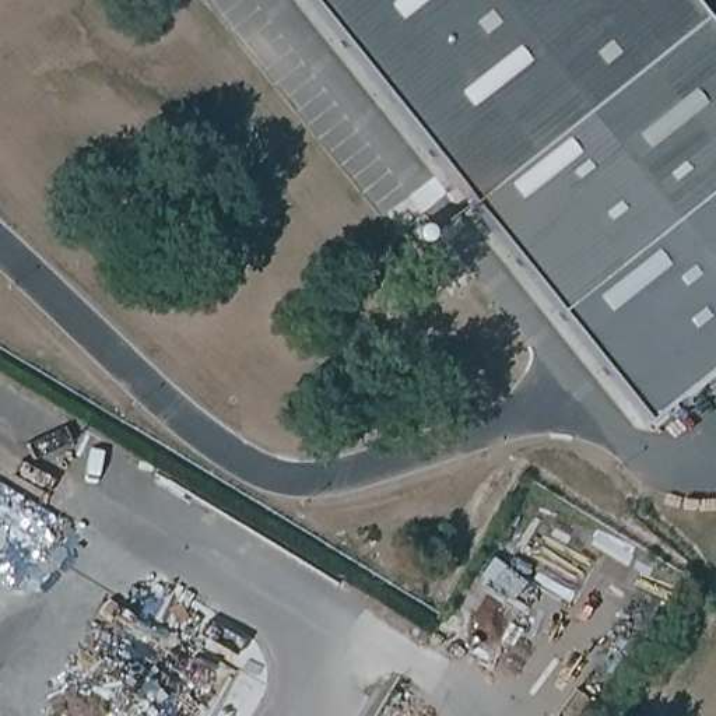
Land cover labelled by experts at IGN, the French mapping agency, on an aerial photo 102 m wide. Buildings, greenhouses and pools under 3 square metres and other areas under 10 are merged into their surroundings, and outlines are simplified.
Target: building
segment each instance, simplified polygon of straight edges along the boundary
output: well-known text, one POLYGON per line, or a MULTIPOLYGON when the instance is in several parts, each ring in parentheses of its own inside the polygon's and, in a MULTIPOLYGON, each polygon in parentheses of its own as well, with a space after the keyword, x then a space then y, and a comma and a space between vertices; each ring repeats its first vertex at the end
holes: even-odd
POLYGON ((615 366, 615 372, 624 378, 624 383, 635 392, 635 397, 649 414, 666 408, 680 392, 688 392, 688 397, 694 400, 702 389, 708 389, 716 380, 716 0, 322 0, 324 8, 338 20, 338 25, 369 59, 369 64, 380 73, 380 78, 417 117, 425 134, 439 145, 448 162, 459 171, 467 187, 475 193, 475 201, 467 201, 467 215, 473 221, 484 221, 487 232, 492 235, 506 232, 506 238, 520 249, 520 255, 526 255, 529 266, 571 310, 579 327, 615 366))

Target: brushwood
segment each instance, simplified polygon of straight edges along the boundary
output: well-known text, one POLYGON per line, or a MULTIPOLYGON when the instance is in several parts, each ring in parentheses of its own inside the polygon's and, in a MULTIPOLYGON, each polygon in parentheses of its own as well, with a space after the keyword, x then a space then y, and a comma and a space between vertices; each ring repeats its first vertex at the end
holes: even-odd
POLYGON ((67 420, 76 422, 81 434, 98 431, 103 434, 103 442, 123 445, 143 461, 159 467, 159 473, 171 481, 229 512, 241 523, 252 526, 255 531, 266 534, 269 540, 322 568, 333 579, 364 590, 366 596, 378 599, 422 632, 434 632, 442 621, 434 610, 417 604, 411 596, 394 590, 392 585, 344 559, 319 537, 302 531, 296 523, 257 506, 238 489, 221 484, 204 470, 193 467, 190 461, 179 459, 176 453, 165 450, 162 445, 151 442, 148 436, 137 434, 134 428, 123 425, 115 417, 112 406, 95 392, 70 392, 45 372, 0 350, 0 372, 8 375, 14 383, 64 408, 67 420))

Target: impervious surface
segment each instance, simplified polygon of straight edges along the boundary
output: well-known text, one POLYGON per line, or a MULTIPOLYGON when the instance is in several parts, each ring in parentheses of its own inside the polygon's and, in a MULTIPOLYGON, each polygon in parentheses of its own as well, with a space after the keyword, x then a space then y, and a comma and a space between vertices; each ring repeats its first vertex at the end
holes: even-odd
POLYGON ((171 481, 159 473, 159 467, 143 461, 123 445, 103 442, 103 434, 98 431, 81 434, 76 422, 67 420, 64 408, 14 383, 8 375, 0 372, 0 716, 579 716, 587 702, 596 699, 601 685, 610 682, 615 666, 621 666, 627 643, 640 643, 646 615, 660 615, 660 607, 674 593, 680 576, 688 571, 682 554, 666 545, 666 540, 657 540, 654 545, 671 557, 671 562, 660 562, 654 557, 652 562, 643 562, 640 557, 635 557, 635 543, 613 531, 579 531, 568 517, 554 517, 551 509, 543 506, 526 509, 529 523, 523 531, 512 537, 506 551, 484 545, 481 551, 489 559, 489 565, 464 596, 461 610, 442 621, 434 632, 422 632, 378 599, 366 596, 364 590, 333 579, 322 568, 269 540, 266 534, 255 531, 252 526, 241 523, 229 512, 171 481))
POLYGON ((520 434, 551 434, 551 442, 568 442, 568 436, 582 436, 621 456, 624 467, 635 470, 652 489, 663 489, 666 495, 677 498, 716 501, 716 380, 708 389, 702 389, 694 400, 688 397, 688 392, 680 392, 666 408, 649 414, 635 397, 635 392, 624 383, 624 378, 615 372, 615 366, 579 327, 571 310, 529 266, 526 255, 520 255, 520 249, 506 238, 506 232, 492 235, 487 232, 484 221, 473 221, 467 215, 467 201, 475 201, 475 193, 467 187, 459 171, 448 162, 439 145, 425 134, 417 117, 380 78, 380 73, 369 64, 369 59, 338 25, 338 20, 324 8, 322 0, 210 0, 221 8, 215 17, 238 39, 238 45, 246 50, 255 67, 274 84, 277 92, 285 92, 291 103, 299 103, 302 115, 291 126, 302 129, 305 143, 324 143, 324 148, 355 179, 361 193, 366 193, 372 210, 380 218, 406 218, 406 243, 422 249, 425 255, 445 252, 445 263, 453 280, 470 274, 473 280, 484 282, 495 299, 495 308, 501 313, 515 316, 515 338, 526 350, 534 350, 534 366, 526 375, 523 389, 509 394, 498 420, 484 422, 478 428, 464 428, 464 439, 459 445, 461 450, 487 448, 495 439, 520 434))
POLYGON ((411 459, 372 459, 366 453, 347 456, 330 464, 310 464, 294 464, 263 456, 241 439, 235 439, 235 428, 218 420, 218 414, 204 408, 201 403, 190 406, 193 397, 179 383, 168 386, 59 277, 53 277, 11 232, 0 227, 0 266, 90 355, 95 355, 115 378, 120 378, 137 394, 137 400, 143 400, 159 420, 165 420, 179 436, 185 436, 190 445, 207 453, 215 464, 257 487, 285 495, 319 495, 330 489, 372 484, 378 478, 414 467, 411 459))

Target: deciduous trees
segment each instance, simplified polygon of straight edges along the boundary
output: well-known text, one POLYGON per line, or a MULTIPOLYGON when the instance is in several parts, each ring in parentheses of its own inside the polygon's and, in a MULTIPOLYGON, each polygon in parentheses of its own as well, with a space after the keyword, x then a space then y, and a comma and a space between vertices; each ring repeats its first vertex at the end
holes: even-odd
POLYGON ((456 509, 450 517, 414 517, 403 529, 397 529, 394 559, 400 565, 400 573, 392 585, 394 590, 411 596, 417 604, 434 610, 442 621, 461 610, 464 596, 489 565, 489 559, 481 551, 470 548, 473 529, 467 512, 456 509), (431 599, 431 585, 436 579, 445 579, 459 565, 464 568, 464 576, 456 585, 453 596, 448 601, 431 599))
POLYGON ((498 515, 492 517, 484 545, 506 551, 512 537, 523 531, 529 523, 526 509, 543 506, 551 492, 520 473, 517 487, 506 495, 498 515))
POLYGON ((310 464, 330 464, 347 456, 366 453, 372 459, 411 459, 414 467, 461 450, 459 445, 464 439, 464 428, 478 428, 484 422, 470 411, 473 389, 461 375, 461 366, 456 366, 453 355, 431 352, 431 341, 422 338, 417 344, 411 338, 403 344, 389 341, 389 336, 380 333, 372 322, 375 310, 394 319, 408 316, 411 310, 422 313, 428 305, 439 305, 439 291, 445 291, 453 280, 445 263, 445 252, 425 255, 422 249, 406 243, 403 255, 347 252, 341 257, 322 257, 319 252, 313 252, 302 271, 302 288, 288 291, 274 308, 274 333, 285 336, 291 350, 324 358, 322 366, 299 378, 296 389, 288 392, 285 408, 280 414, 282 425, 299 436, 302 450, 313 459, 310 464))
POLYGON ((101 0, 109 25, 140 45, 157 42, 173 28, 176 11, 182 11, 179 0, 101 0))
POLYGON ((579 716, 627 716, 627 710, 635 708, 640 699, 649 699, 652 682, 668 682, 671 671, 694 654, 694 649, 688 649, 688 627, 699 621, 705 624, 708 613, 716 613, 716 596, 702 593, 699 582, 688 571, 680 576, 674 593, 660 607, 660 615, 646 615, 640 643, 627 643, 621 666, 615 666, 610 682, 601 685, 596 699, 587 702, 579 716))
POLYGON ((48 207, 53 215, 50 227, 67 249, 87 249, 95 257, 98 274, 106 280, 106 291, 120 305, 145 308, 154 313, 210 313, 215 305, 232 299, 238 285, 243 285, 246 280, 246 269, 252 269, 249 246, 241 241, 246 238, 252 215, 260 210, 257 187, 243 168, 243 159, 235 154, 235 145, 227 145, 224 137, 218 137, 218 131, 213 131, 204 120, 193 117, 193 123, 187 126, 171 126, 162 120, 162 115, 157 115, 140 129, 120 129, 115 137, 87 140, 87 145, 76 148, 73 157, 67 157, 53 171, 48 187, 48 207))

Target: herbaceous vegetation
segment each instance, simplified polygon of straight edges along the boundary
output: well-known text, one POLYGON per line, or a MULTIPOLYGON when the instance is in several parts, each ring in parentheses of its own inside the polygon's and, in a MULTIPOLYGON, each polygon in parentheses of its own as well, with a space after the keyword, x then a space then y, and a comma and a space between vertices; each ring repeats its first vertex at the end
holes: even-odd
POLYGON ((389 336, 389 341, 403 344, 411 338, 417 344, 422 338, 431 341, 431 352, 453 355, 456 366, 461 366, 461 375, 473 389, 470 411, 484 422, 498 420, 509 394, 523 389, 526 375, 534 366, 534 350, 526 350, 515 338, 515 316, 501 313, 495 308, 495 299, 484 282, 473 280, 470 274, 453 280, 445 291, 439 291, 439 305, 428 305, 422 313, 411 310, 408 316, 394 319, 375 310, 372 322, 380 333, 389 336))
POLYGON ((543 506, 551 509, 554 517, 568 517, 579 531, 613 531, 635 543, 635 557, 640 557, 643 562, 652 562, 654 557, 660 562, 671 562, 671 557, 654 545, 657 540, 666 540, 666 545, 682 554, 688 571, 699 582, 702 593, 716 596, 716 501, 677 498, 666 495, 663 489, 652 489, 635 470, 624 467, 621 456, 582 436, 568 436, 568 442, 551 442, 551 434, 520 434, 495 439, 487 448, 461 450, 414 467, 378 478, 372 484, 330 489, 319 495, 285 495, 257 487, 215 464, 207 453, 190 445, 185 436, 179 436, 165 420, 159 420, 143 400, 137 400, 137 394, 120 378, 115 378, 95 355, 90 355, 0 266, 0 350, 45 372, 70 392, 95 392, 112 406, 115 417, 123 425, 134 428, 137 434, 148 436, 151 442, 162 445, 165 450, 176 453, 179 459, 190 461, 193 467, 204 470, 221 484, 238 489, 257 506, 296 523, 302 531, 319 537, 344 559, 392 585, 400 573, 400 565, 394 559, 397 529, 403 529, 414 517, 450 517, 456 509, 467 512, 473 529, 470 548, 481 551, 484 545, 492 517, 498 515, 506 495, 517 487, 520 473, 551 492, 543 506))
POLYGON ((464 576, 464 568, 459 565, 445 579, 436 579, 431 585, 431 599, 448 601, 453 596, 456 585, 464 576))
POLYGON ((668 682, 652 682, 649 699, 640 699, 635 708, 627 710, 627 716, 716 716, 716 613, 708 613, 705 624, 699 621, 688 627, 688 649, 694 649, 694 654, 671 671, 668 682))
POLYGON ((246 50, 238 45, 238 39, 215 17, 221 8, 210 0, 179 0, 182 11, 176 11, 173 28, 157 42, 140 45, 109 25, 101 0, 0 0, 0 227, 11 232, 53 277, 59 277, 168 386, 179 383, 193 397, 190 406, 201 403, 204 408, 218 414, 218 420, 235 428, 235 439, 241 439, 263 456, 294 464, 310 464, 313 459, 302 450, 299 436, 282 425, 280 414, 285 408, 288 392, 296 389, 299 378, 322 366, 324 358, 291 350, 285 336, 274 333, 274 308, 288 291, 302 288, 302 271, 313 252, 319 252, 322 257, 341 257, 347 252, 403 255, 406 243, 406 218, 380 218, 372 210, 366 193, 361 193, 355 179, 324 148, 324 143, 305 143, 302 129, 291 126, 302 115, 299 103, 291 103, 285 92, 277 92, 274 84, 255 67, 246 50), (106 280, 98 274, 95 257, 87 249, 67 249, 50 227, 53 215, 48 207, 48 187, 53 171, 67 157, 73 157, 76 148, 87 145, 87 140, 115 137, 120 129, 140 129, 157 115, 162 115, 162 120, 171 126, 187 126, 193 123, 193 117, 204 120, 213 131, 218 131, 218 137, 224 137, 227 145, 235 145, 235 154, 243 159, 243 168, 257 187, 260 210, 252 215, 246 238, 241 241, 249 246, 252 269, 246 269, 246 280, 243 285, 238 285, 232 299, 215 305, 210 313, 154 313, 145 308, 120 305, 106 291, 106 280))

